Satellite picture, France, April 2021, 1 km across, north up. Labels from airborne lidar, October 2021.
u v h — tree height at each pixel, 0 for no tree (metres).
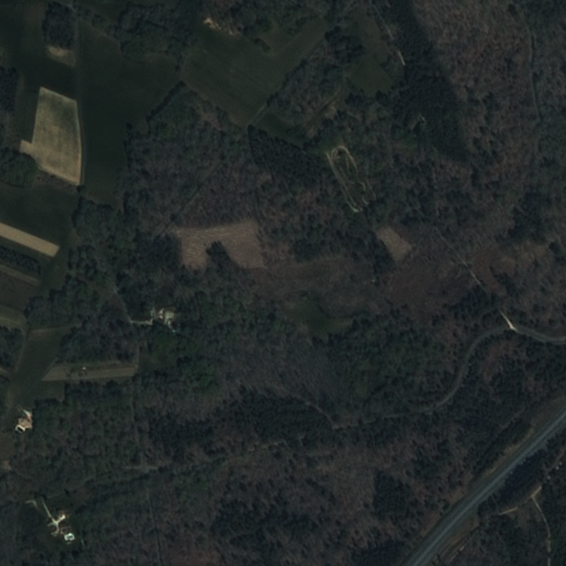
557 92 13
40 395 0
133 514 14
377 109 22
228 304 18
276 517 19
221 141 8
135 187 15
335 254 19
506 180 9
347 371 18
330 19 6
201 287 21
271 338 10
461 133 19
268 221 10
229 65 0
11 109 16
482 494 0
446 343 13
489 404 14
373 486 12
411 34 23
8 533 13
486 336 0
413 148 21
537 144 19
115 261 11
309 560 24
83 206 16
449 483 12
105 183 0
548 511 10
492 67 8
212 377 9
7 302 0
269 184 7
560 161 24
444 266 12
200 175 20
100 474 19
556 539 7
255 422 7
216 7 9
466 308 10
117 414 19
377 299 0
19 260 14
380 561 21
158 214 19
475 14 20
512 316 12
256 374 18
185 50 19
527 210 25
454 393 0
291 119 14
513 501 22
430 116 22
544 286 12
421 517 15
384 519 22
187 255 0
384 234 0
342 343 22
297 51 0
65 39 19
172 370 8
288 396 14
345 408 22
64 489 8
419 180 12
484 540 14
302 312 0
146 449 12
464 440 14
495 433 12
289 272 0
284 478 10
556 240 24
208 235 0
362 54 12
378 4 16
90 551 12
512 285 14
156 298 10
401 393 17
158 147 15
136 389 19
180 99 19
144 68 0
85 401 22
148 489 18
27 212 0
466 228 8
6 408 17
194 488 16
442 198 8
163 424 15
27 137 0
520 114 9
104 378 0
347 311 0
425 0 14
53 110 0
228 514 21
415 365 14
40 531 0
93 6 0
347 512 10
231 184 14
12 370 11
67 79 0
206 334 12
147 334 17
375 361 23
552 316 10
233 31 12
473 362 11
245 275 13
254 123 0
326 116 0
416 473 11
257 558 11
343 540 12
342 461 12
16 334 13
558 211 23
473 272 11
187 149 12
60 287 0
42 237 0
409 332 9
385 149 23
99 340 24
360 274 0
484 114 8
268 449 7
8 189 0
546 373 13
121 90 0
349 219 13
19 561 7
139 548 12
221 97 0
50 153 0
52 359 0
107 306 9
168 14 8
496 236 17
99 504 14
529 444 0
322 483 13
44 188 0
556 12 20
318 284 0
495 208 17
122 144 0
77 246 0
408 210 17
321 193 10
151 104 0
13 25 0
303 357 16
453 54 9
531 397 13
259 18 18
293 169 19
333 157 0
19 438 13
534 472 12
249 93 0
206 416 8
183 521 14
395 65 10
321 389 16
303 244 10
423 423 12
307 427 22
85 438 13
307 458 10
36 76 0
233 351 13
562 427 0
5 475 10
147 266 24
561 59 18
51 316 11
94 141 0
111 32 15
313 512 13
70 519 0
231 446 12
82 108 0
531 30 20
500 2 21
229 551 13
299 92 14
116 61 0
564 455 0
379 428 16
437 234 8
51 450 22
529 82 8
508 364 12
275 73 0
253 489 18
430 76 19
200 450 10
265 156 17
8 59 0
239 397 11
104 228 22
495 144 9
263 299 8
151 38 25
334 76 17
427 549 0
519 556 9
